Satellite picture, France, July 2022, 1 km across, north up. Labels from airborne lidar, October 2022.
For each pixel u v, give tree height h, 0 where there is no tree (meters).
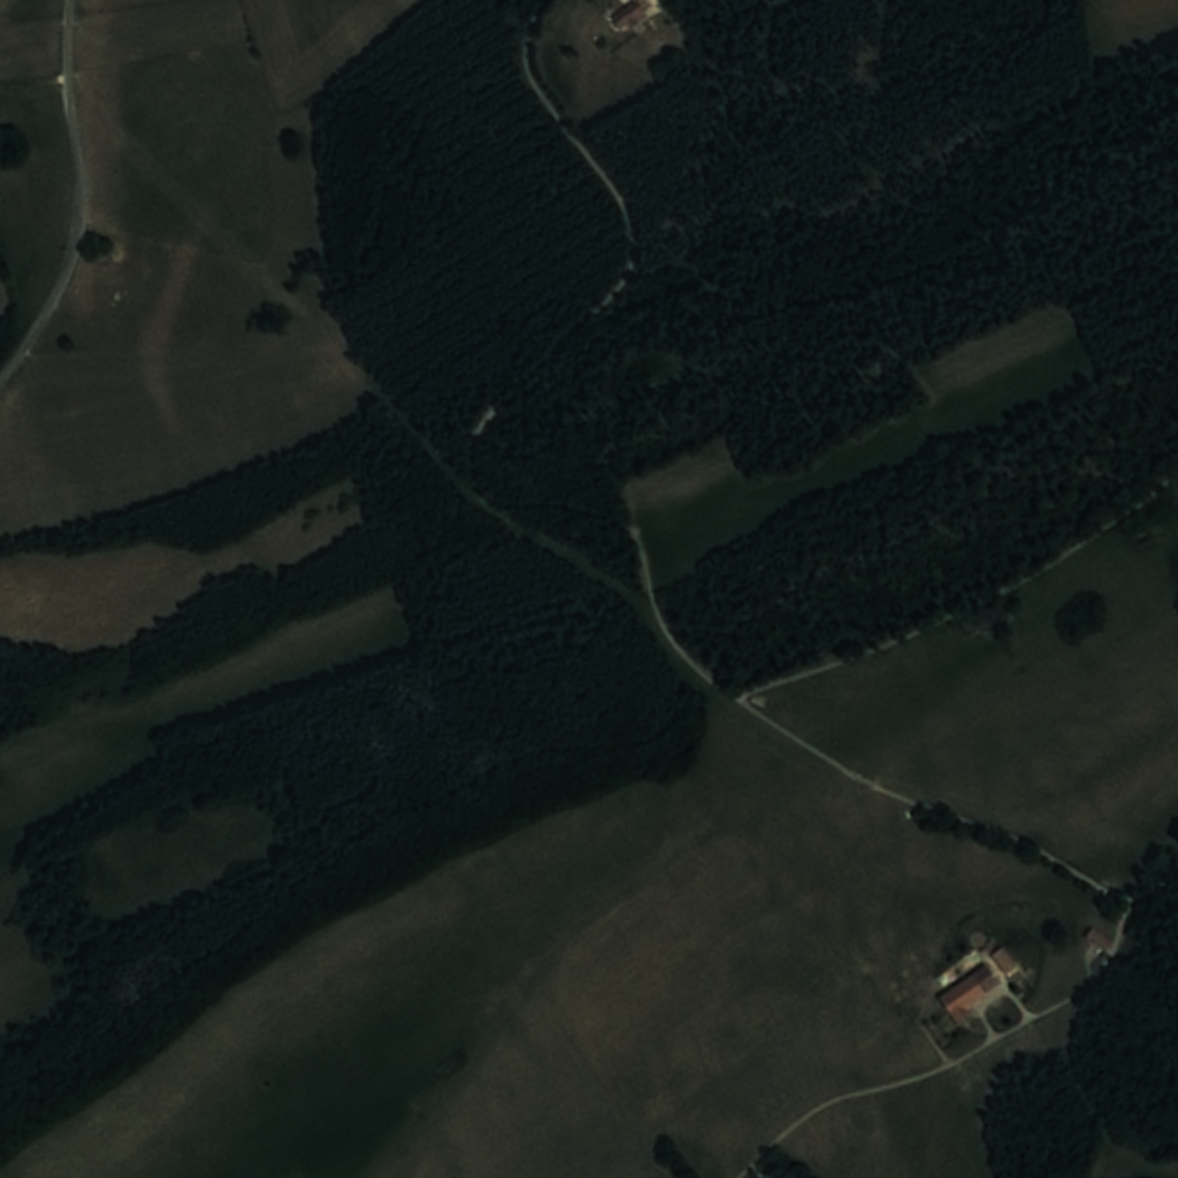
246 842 0
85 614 0
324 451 14
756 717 0
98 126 0
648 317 12
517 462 23
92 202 0
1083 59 23
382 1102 0
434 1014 0
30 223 0
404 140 16
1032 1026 0
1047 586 0
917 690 0
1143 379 8
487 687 25
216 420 0
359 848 17
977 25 11
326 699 26
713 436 8
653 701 18
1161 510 6
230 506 12
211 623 12
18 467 0
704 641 16
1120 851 0
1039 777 0
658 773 26
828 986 0
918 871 0
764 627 11
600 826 0
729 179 6
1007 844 16
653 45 0
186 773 21
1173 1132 13
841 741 0
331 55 0
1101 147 17
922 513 7
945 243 6
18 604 0
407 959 0
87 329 0
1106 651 0
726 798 0
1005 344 0
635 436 17
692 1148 0
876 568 9
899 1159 0
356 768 28
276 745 26
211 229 0
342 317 16
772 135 6
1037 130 17
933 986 0
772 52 7
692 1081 0
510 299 17
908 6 15
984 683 0
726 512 0
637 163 22
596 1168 0
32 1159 0
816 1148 0
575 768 21
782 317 21
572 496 24
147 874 0
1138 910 8
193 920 21
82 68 0
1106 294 23
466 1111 0
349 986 0
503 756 18
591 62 0
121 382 0
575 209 16
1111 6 0
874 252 13
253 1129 0
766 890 0
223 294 0
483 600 28
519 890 0
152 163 0
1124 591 0
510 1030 0
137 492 0
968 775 0
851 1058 0
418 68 17
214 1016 0
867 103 22
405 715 24
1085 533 18
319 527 0
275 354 0
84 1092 27
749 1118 0
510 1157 0
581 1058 0
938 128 24
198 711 0
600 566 26
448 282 16
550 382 20
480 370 20
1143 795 0
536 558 28
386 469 20
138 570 0
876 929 0
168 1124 0
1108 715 0
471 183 14
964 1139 0
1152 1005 12
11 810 0
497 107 14
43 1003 0
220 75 0
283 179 0
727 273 15
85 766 0
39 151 0
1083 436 27
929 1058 0
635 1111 0
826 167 26
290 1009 0
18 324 8
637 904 0
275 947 21
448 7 14
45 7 0
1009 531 10
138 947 21
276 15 0
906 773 0
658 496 0
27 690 8
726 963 0
